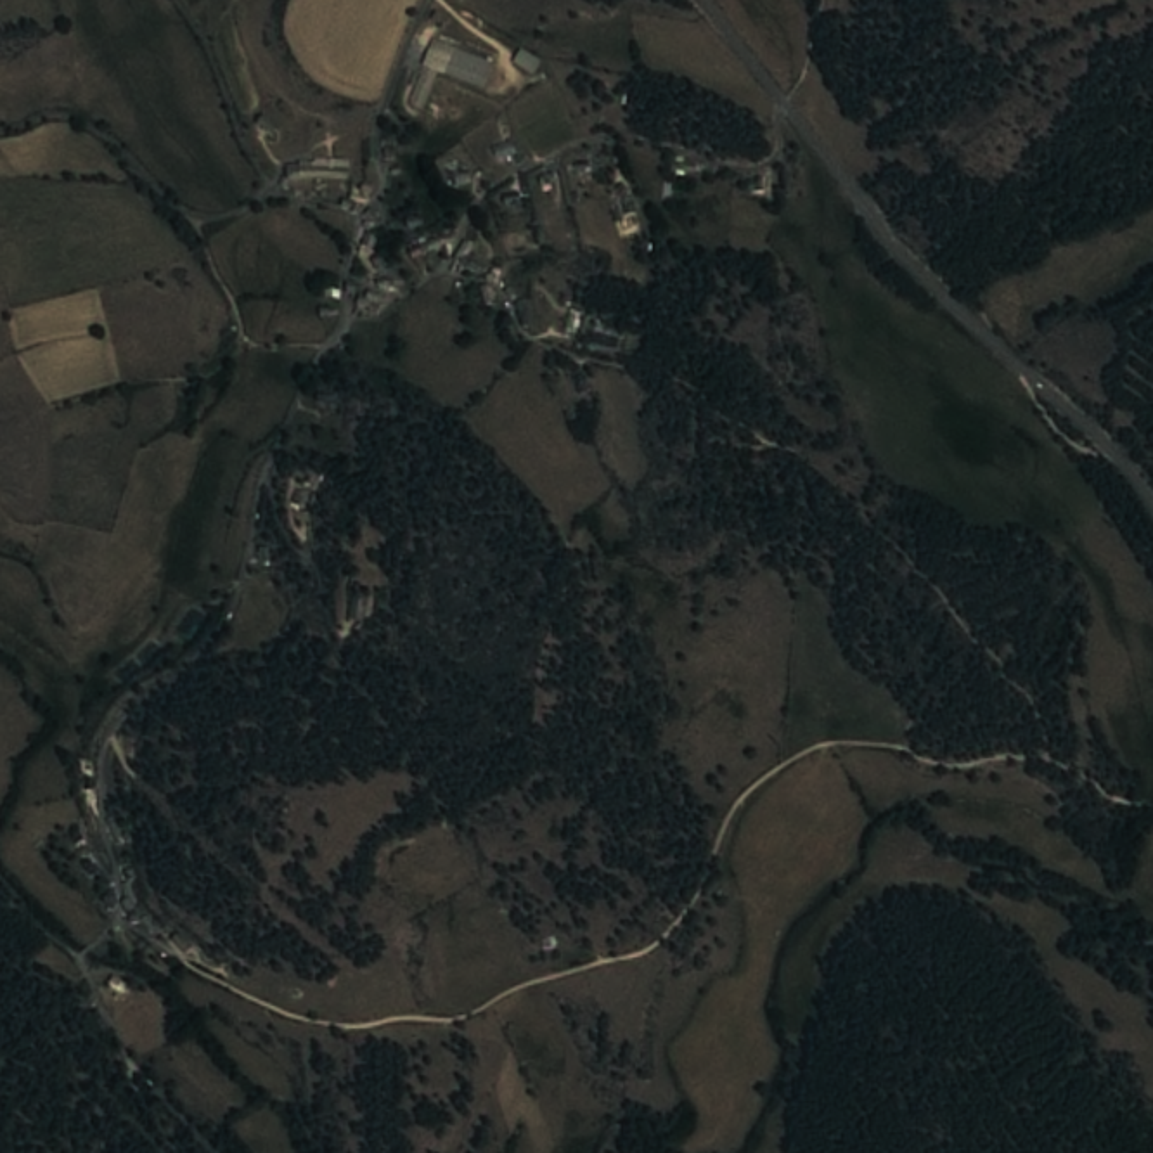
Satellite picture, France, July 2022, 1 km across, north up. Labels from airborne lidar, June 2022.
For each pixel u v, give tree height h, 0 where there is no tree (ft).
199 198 0
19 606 0
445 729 42
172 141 0
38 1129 52
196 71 0
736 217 0
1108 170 54
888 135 54
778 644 0
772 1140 0
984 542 47
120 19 0
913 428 0
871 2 54
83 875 0
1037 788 0
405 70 0
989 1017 50
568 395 0
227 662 39
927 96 25
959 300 67
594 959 0
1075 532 0
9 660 19
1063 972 0
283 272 0
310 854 35
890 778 0
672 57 0
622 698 48
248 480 0
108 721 0
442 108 0
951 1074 57
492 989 0
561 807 0
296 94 0
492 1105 0
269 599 0
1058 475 0
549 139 0
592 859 0
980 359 0
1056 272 0
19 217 0
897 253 0
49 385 0
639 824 72
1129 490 66
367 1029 0
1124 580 0
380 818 0
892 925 58
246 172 0
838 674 0
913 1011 55
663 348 52
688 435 44
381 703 46
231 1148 31
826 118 0
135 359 0
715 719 0
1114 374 43
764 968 0
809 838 0
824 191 0
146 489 0
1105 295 0
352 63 0
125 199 0
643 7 0
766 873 0
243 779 28
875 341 0
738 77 0
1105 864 44
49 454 0
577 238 0
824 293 0
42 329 0
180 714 59
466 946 0
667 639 0
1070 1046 47
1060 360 0
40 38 0
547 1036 0
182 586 0
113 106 0
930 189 65
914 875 0
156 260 0
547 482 0
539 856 43
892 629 41
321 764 69
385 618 23
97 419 0
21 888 22
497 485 50
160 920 24
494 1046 0
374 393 37
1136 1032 0
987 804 0
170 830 41
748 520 58
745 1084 0
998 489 0
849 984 50
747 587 0
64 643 0
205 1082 0
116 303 0
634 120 39
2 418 0
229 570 0
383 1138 59
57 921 21
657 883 59
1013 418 0
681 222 0
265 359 0
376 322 0
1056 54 0
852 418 0
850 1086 54
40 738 23
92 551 0
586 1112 0
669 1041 0
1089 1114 50
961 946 57
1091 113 50
